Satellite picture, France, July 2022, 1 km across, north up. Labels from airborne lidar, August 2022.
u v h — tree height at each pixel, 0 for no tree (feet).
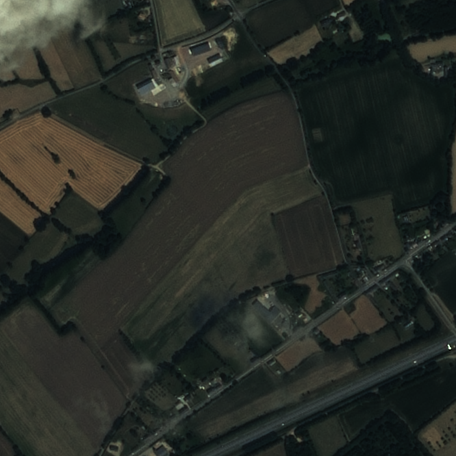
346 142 0
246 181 0
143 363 71
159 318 0
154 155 0
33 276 60
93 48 36
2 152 0
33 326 0
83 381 0
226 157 0
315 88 0
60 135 0
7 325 0
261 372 0
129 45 0
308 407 0
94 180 0
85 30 29
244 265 0
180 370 0
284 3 0
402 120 0
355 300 0
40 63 43
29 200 42
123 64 27
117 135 0
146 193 0
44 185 0
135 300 0
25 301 0
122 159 0
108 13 0
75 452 0
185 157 0
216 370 18
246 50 0
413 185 0
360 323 0
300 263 0
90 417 0
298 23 0
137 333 0
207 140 0
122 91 0
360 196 0
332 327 0
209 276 0
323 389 0
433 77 37
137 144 0
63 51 0
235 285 0
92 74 0
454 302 0
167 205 0
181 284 0
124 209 0
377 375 0
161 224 0
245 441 0
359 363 24
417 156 0
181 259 0
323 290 0
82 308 0
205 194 0
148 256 0
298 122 0
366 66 66
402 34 65
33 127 0
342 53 32
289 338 0
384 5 78
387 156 0
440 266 0
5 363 0
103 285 0
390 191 0
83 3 0
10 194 0
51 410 0
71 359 0
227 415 0
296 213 0
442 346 0
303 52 0
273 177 0
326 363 0
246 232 0
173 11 0
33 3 0
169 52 21
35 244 0
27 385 0
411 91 0
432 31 27
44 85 0
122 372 0
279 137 0
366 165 0
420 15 23
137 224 0
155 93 0
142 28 18
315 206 0
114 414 0
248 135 0
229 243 0
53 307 0
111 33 0
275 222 0
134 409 20
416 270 33
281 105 0
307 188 0
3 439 0
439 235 0
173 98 0
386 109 0
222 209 0
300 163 0
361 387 0
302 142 0
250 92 0
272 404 0
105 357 0
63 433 0
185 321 0
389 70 0
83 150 0
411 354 0
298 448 51
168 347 0
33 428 0
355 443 32
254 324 0
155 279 0
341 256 0
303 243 0
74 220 0
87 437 0
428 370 30
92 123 0
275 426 0
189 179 0
